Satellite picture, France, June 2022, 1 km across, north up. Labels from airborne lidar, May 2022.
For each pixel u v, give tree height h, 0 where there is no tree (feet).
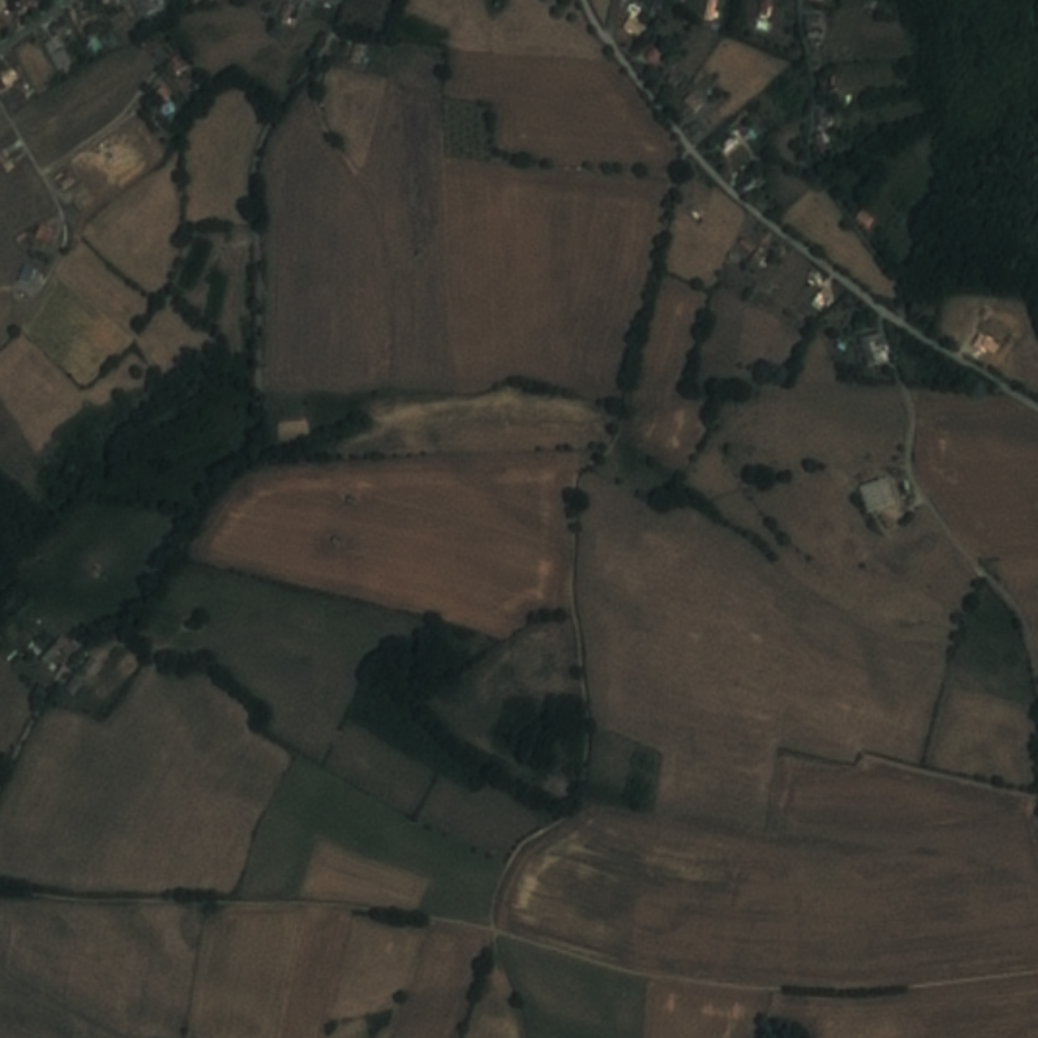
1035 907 0
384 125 0
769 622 0
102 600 0
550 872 0
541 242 0
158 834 0
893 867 0
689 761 0
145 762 0
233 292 0
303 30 0
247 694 43
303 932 0
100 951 0
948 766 0
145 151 0
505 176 0
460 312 0
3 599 34
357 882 0
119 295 0
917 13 48
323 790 0
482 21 0
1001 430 0
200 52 0
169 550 67
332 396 0
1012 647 0
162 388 46
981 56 55
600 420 0
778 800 0
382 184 0
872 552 0
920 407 0
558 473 0
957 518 0
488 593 0
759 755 0
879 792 0
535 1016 0
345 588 0
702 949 0
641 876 0
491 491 0
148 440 70
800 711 0
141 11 0
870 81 0
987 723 0
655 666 0
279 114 60
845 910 0
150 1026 0
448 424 0
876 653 0
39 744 0
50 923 0
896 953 0
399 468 0
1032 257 54
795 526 0
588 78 0
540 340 0
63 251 29
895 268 51
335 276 0
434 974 0
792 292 0
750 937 0
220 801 0
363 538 0
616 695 0
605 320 0
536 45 0
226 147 0
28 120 0
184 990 0
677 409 0
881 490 0
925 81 33
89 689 0
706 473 0
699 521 0
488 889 0
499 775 62
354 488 0
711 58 0
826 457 0
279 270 0
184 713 0
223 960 0
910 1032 0
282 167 0
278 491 0
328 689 0
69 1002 0
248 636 0
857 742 0
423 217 0
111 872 0
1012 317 0
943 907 0
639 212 0
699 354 33
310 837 0
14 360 0
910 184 0
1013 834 0
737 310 0
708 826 0
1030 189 40
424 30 0
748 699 0
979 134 47
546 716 26
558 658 0
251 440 68
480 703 0
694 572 0
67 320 0
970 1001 0
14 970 0
